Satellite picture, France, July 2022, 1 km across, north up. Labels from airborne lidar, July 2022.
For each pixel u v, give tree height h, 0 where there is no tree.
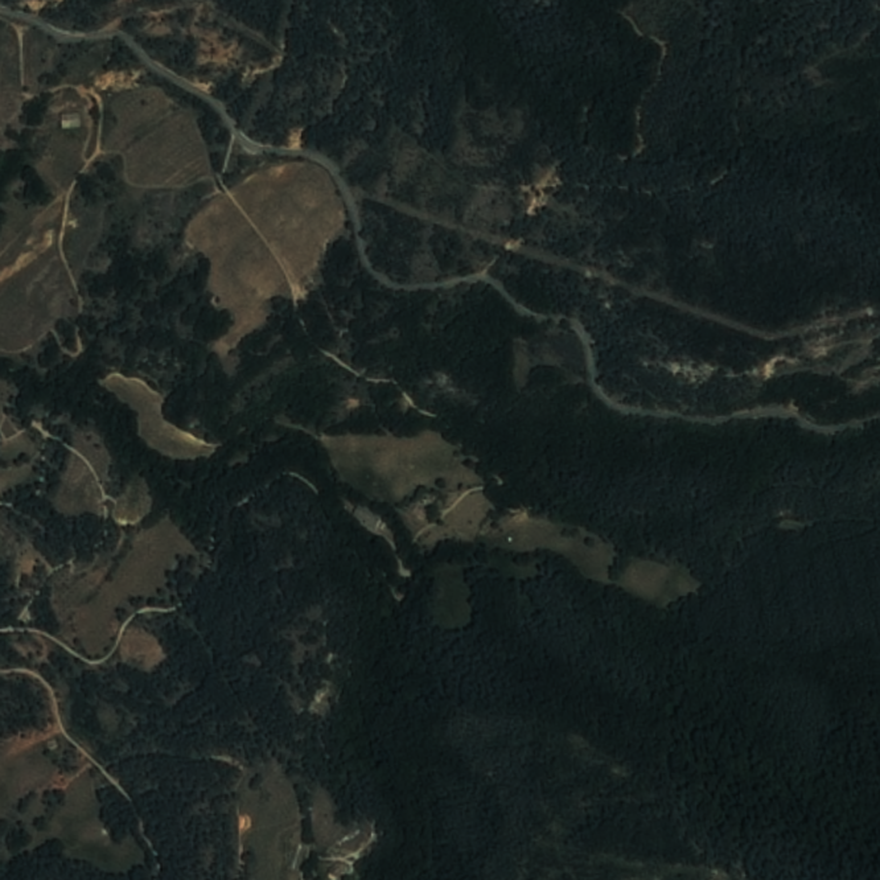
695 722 17
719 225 15
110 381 0
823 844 6
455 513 0
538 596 17
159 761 13
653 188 12
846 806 16
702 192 16
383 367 9
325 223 0
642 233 7
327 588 16
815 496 12
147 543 0
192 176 0
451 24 15
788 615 11
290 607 10
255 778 10
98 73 0
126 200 0
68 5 9
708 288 6
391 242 7
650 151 6
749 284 6
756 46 16
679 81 7
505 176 7
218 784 11
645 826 7
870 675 18
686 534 17
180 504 16
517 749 8
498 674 21
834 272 8
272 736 12
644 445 15
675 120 7
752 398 7
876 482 7
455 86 17
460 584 0
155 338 7
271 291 0
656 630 17
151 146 0
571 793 6
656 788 11
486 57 5
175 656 8
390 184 6
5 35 0
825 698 14
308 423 8
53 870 16
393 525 14
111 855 0
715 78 9
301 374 9
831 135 9
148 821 13
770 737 12
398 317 10
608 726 21
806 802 20
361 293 7
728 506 13
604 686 18
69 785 0
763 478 9
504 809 10
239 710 17
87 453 0
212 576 15
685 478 18
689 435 14
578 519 17
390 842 14
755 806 7
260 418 11
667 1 6
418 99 15
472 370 9
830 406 6
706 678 16
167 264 6
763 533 10
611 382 13
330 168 0
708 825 15
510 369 6
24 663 6
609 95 14
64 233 0
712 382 7
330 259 8
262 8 6
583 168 14
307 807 13
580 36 14
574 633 18
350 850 0
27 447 0
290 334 9
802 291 8
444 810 11
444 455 0
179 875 17
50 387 17
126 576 0
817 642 15
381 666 23
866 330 7
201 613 18
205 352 8
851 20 15
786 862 22
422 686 17
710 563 12
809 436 11
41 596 8
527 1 8
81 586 0
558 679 18
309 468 12
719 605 13
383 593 18
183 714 11
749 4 6
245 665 11
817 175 11
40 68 0
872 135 8
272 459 15
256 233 0
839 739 17
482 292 9
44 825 15
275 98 8
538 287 13
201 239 0
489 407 7
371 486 0
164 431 0
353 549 19
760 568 15
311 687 11
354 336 8
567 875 6
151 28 0
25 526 9
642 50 16
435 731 11
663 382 9
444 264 8
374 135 13
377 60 13
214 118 9
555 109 15
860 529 11
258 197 0
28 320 0
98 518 13
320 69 8
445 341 8
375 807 15
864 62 9
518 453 17
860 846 21
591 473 12
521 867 8
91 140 0
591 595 15
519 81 9
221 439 10
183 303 8
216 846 12
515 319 13
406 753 18
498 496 16
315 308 11
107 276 9
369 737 20
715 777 20
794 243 8
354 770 17
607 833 8
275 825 0
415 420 15
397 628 17
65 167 0
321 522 19
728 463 16
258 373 11
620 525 12
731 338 7
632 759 9
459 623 0
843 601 11
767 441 15
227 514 10
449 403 9
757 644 15
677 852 9
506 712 6
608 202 10
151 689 17
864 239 19
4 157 11
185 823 11
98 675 9
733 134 11
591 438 11
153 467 13
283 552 10
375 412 9
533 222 8
